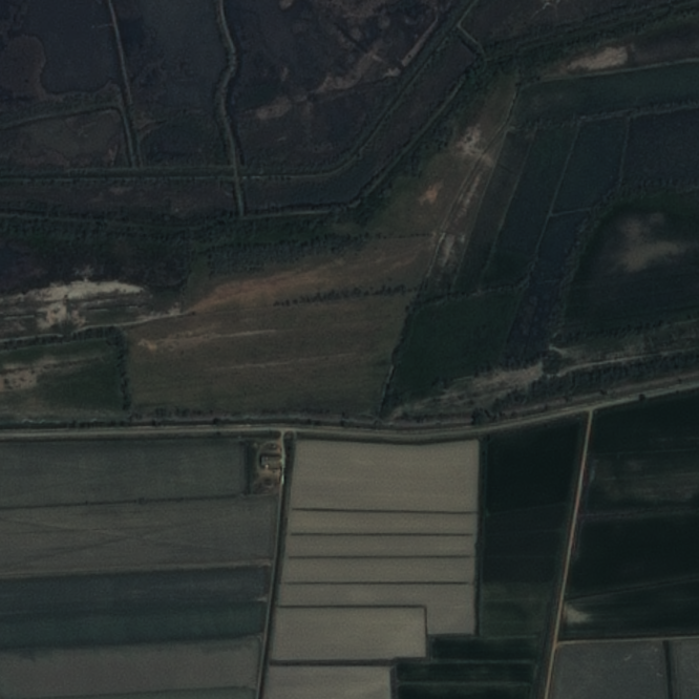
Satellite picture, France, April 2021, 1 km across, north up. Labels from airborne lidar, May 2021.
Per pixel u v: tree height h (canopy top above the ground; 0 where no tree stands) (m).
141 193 0
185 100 0
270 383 0
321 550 0
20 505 0
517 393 8
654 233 0
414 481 0
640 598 0
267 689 0
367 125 8
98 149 0
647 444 0
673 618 0
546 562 0
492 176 0
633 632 0
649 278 0
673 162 0
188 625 0
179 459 0
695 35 0
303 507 0
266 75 0
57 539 0
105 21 0
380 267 0
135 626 0
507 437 0
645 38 0
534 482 0
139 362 0
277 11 0
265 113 0
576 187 0
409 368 0
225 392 0
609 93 0
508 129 0
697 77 0
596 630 0
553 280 0
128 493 0
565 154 0
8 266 0
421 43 0
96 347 0
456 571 0
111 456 0
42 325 0
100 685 0
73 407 0
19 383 0
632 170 0
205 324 0
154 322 0
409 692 0
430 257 0
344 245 7
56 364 0
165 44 0
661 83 0
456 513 0
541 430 0
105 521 0
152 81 0
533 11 0
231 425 0
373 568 0
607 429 0
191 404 0
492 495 0
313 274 0
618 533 0
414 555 0
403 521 0
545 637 0
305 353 0
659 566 0
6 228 6
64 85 0
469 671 0
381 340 0
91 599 0
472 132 0
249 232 7
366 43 0
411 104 0
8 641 0
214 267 6
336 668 0
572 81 0
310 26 0
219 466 0
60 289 0
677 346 0
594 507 0
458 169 0
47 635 0
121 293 0
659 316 0
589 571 0
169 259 0
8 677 0
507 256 0
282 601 0
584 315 0
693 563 0
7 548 0
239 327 0
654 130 0
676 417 0
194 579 0
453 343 0
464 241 0
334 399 0
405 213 0
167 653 0
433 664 0
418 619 0
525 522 0
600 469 0
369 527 0
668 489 0
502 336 0
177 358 0
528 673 0
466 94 7
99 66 0
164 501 0
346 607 0
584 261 0
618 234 0
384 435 0
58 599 0
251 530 0
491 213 0
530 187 0
